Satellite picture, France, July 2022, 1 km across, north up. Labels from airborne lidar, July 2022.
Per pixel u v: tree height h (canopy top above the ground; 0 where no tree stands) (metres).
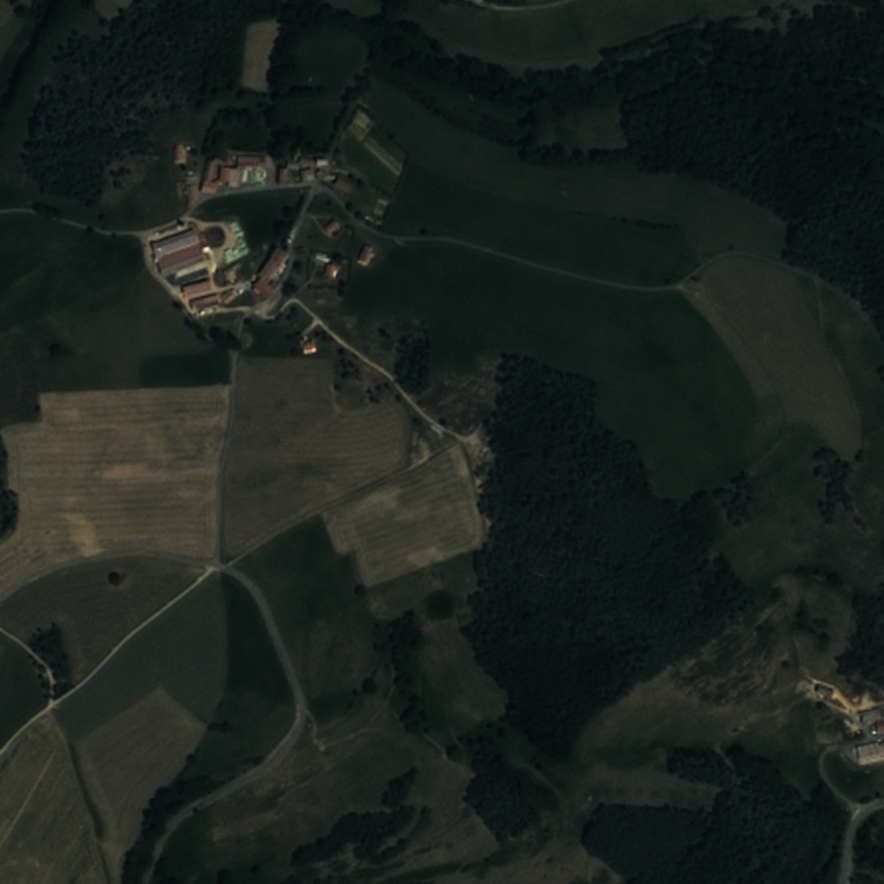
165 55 10
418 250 0
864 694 0
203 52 7
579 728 23
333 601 0
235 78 15
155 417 0
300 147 10
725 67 29
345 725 0
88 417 0
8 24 0
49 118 18
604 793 0
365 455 0
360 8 0
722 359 0
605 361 0
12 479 0
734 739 0
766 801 18
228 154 0
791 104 28
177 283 0
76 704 0
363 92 10
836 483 12
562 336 0
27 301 0
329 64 0
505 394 8
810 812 22
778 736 0
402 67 26
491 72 22
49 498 0
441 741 0
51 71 0
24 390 0
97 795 0
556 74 17
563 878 0
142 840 9
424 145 0
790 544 0
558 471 9
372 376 0
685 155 13
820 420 0
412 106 0
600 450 12
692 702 0
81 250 0
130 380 0
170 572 0
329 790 0
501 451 14
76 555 0
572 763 0
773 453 0
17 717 0
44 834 0
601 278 0
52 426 0
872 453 0
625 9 0
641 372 0
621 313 0
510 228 0
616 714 0
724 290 0
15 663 0
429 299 0
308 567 0
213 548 0
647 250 0
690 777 16
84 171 9
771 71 30
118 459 0
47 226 0
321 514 0
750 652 0
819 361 0
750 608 9
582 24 0
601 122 0
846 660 7
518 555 10
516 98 25
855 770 0
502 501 12
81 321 0
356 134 0
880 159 21
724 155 9
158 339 0
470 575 0
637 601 19
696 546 17
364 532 0
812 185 17
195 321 16
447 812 0
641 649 9
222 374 0
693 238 0
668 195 0
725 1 0
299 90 12
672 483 0
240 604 0
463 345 0
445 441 0
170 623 0
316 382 0
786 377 0
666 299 0
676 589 19
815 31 12
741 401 0
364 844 13
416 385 16
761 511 0
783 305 0
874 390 0
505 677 15
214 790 6
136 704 0
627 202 0
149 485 0
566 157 20
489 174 0
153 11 7
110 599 0
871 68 20
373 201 0
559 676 15
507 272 0
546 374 14
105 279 0
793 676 0
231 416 0
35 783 0
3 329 0
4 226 0
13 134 0
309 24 15
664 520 16
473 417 0
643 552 14
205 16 9
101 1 0
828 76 22
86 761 0
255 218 0
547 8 0
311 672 0
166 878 7
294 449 0
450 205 0
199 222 0
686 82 17
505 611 7
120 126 12
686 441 0
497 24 0
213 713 0
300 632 0
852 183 22
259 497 0
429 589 0
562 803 0
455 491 0
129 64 13
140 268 0
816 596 0
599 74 18
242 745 0
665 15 0
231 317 0
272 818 0
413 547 0
